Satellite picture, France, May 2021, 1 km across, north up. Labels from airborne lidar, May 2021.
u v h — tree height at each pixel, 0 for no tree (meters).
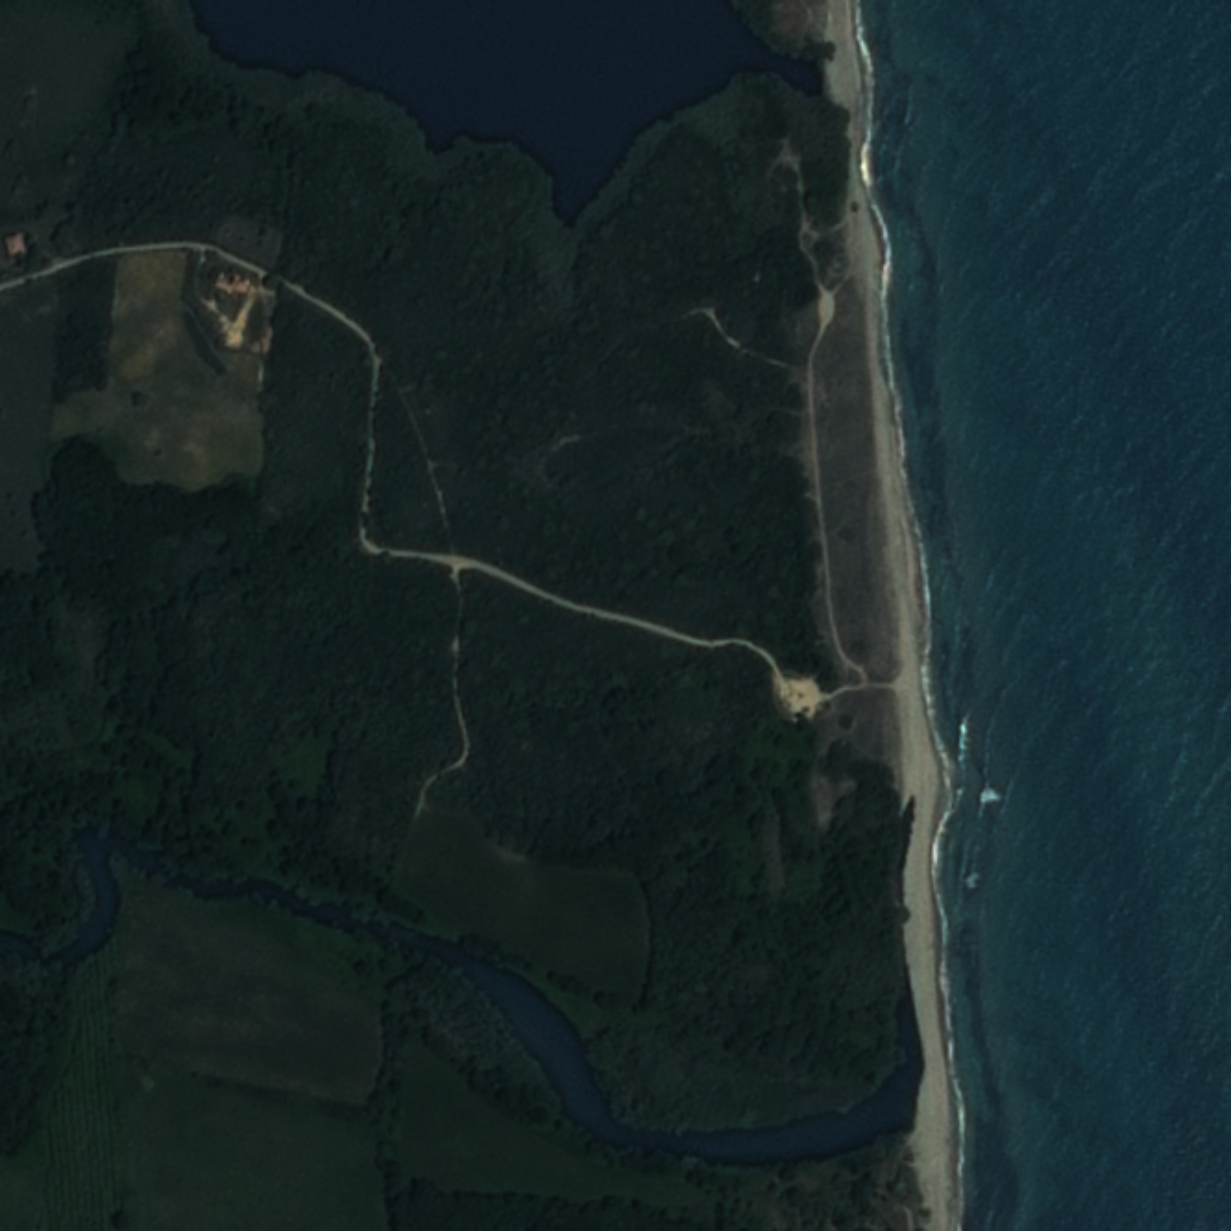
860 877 14
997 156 0
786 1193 6
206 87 15
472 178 6
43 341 0
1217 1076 0
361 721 13
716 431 10
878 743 0
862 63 0
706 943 8
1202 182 0
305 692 9
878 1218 18
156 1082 0
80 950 0
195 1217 0
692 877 10
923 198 0
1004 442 0
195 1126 0
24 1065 23
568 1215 21
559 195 0
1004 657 0
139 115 18
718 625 6
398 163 7
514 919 0
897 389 0
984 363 0
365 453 9
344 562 6
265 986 0
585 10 0
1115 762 0
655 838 17
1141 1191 0
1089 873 0
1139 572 0
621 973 0
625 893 0
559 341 7
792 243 6
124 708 15
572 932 0
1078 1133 0
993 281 0
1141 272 0
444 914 0
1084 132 0
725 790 19
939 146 0
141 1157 0
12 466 0
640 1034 10
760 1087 6
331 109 6
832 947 9
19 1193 0
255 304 0
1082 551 0
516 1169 0
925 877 0
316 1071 0
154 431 0
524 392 7
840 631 0
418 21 0
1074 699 0
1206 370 0
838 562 0
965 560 0
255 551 15
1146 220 0
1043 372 0
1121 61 0
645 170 7
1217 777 0
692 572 9
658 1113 7
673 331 6
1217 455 0
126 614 16
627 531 6
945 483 0
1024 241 0
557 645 6
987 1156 0
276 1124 0
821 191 6
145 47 12
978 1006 0
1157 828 0
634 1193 0
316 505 10
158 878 7
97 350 10
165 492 14
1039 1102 0
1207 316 0
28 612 19
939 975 0
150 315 0
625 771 13
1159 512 0
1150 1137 0
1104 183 0
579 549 7
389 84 0
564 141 0
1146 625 0
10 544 0
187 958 0
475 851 0
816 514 0
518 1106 10
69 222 9
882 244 0
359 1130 0
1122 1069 0
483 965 0
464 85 0
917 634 0
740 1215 7
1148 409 0
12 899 18
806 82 0
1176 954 0
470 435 6
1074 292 0
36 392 0
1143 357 0
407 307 6
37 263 11
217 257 8
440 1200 17
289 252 7
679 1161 7
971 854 0
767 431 7
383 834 9
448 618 6
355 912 16
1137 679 0
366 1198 0
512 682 15
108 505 23
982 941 0
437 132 0
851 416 0
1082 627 0
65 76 0
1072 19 0
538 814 11
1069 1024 0
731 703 14
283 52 0
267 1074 0
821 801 0
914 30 0
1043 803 0
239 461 0
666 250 7
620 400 6
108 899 0
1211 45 0
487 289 10
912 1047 0
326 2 0
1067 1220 0
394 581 6
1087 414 0
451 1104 0
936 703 0
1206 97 0
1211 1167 0
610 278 6
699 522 8
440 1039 15
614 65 0
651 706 10
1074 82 0
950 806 0
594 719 15
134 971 0
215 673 8
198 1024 0
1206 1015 0
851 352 0
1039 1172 0
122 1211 9
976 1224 0
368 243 7
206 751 18
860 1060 15
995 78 0
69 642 11
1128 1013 0
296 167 8
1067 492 0
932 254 0
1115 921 0
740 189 7
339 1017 0
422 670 6
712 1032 13
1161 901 0
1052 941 0
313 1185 0
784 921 8
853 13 0
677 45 0
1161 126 0
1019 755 0
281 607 8
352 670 8
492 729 8
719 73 0
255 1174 0
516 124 0
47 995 8
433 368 5
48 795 15
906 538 0
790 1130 0
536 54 0
